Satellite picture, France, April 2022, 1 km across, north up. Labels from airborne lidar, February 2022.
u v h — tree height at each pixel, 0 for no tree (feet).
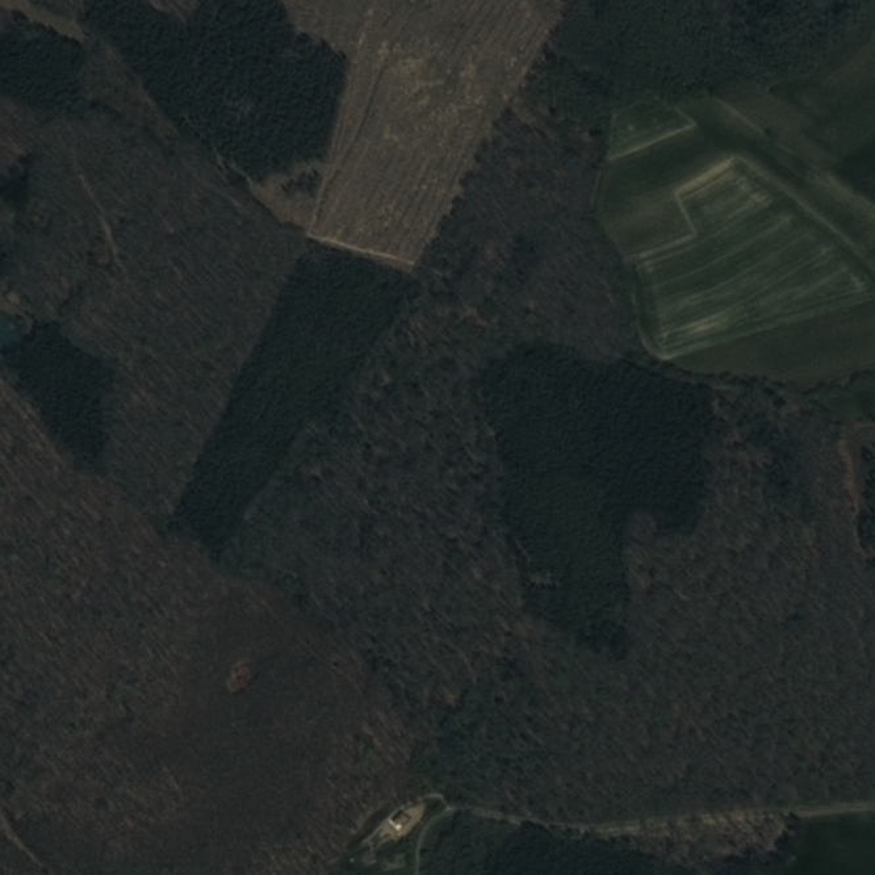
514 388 42
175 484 94
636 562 71
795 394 30
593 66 54
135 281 94
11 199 80
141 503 92
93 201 87
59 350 43
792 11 70
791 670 82
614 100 49
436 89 0
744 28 51
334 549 90
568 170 84
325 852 83
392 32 0
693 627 96
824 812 0
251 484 63
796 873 0
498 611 94
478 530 98
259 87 75
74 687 83
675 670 89
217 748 50
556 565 45
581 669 89
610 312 94
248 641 50
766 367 0
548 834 75
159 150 98
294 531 90
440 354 86
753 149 0
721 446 52
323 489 88
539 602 48
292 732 51
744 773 91
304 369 41
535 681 88
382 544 87
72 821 66
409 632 91
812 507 83
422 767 53
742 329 0
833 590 92
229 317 96
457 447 93
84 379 59
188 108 83
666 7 60
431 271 75
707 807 105
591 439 42
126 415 102
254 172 65
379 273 49
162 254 93
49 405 81
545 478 52
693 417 57
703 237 0
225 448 71
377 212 0
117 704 74
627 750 93
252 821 48
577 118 47
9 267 83
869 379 41
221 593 65
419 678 96
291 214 0
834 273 0
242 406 62
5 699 89
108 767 75
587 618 35
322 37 0
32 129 100
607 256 87
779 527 93
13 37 81
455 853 44
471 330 55
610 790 97
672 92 59
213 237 101
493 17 0
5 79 84
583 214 79
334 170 0
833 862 0
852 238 0
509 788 82
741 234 0
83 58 93
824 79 0
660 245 0
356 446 82
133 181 105
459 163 0
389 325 50
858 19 46
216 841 49
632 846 66
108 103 60
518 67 0
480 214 83
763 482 80
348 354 37
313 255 57
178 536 86
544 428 44
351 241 0
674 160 0
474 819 59
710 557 93
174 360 81
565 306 85
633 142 0
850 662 95
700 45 67
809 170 0
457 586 99
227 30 72
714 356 0
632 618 84
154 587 87
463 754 75
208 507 55
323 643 59
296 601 66
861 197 0
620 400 54
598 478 70
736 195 0
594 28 54
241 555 74
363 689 46
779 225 0
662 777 89
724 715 90
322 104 65
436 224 0
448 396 87
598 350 85
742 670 83
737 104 0
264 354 63
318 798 53
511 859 62
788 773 94
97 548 70
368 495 91
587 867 52
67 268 96
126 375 99
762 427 85
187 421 92
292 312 49
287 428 55
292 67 66
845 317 0
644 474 72
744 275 0
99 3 62
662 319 0
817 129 0
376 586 98
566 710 90
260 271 103
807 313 0
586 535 43
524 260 78
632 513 69
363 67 0
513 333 85
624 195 0
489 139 0
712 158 0
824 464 103
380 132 0
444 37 0
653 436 77
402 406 92
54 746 77
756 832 111
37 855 51
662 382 77
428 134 0
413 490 94
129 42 59
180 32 77
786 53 68
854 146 0
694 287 0
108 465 82
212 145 87
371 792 88
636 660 95
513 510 66
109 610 85
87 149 109
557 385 44
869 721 85
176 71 80
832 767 88
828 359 0
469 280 87
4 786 64
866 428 0
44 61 94
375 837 0
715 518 80
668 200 0
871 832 0
